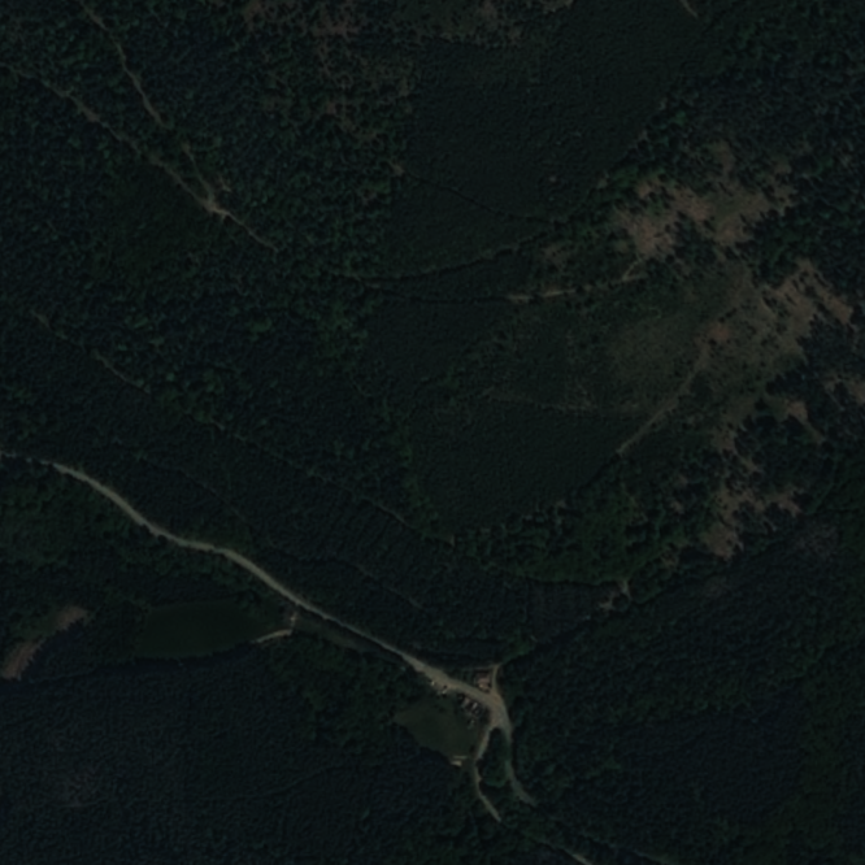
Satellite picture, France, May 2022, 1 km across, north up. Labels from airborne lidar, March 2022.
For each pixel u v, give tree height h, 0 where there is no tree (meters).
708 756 28
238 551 16
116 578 21
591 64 8
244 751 20
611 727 23
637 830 26
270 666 19
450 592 14
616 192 16
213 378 24
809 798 20
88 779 25
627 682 26
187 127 20
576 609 15
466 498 6
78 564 22
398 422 8
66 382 18
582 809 32
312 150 18
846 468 12
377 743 24
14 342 25
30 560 19
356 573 22
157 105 19
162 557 18
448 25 0
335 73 6
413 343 11
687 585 24
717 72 6
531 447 7
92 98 22
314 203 17
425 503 10
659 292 6
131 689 31
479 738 0
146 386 14
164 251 13
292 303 14
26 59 12
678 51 12
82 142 24
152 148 19
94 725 28
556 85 10
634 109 11
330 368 16
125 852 16
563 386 6
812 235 29
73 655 24
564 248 7
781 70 32
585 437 6
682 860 23
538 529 20
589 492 19
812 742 20
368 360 13
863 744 18
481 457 7
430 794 28
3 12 18
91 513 15
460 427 6
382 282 12
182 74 12
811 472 35
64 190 19
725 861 25
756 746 33
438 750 0
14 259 26
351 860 24
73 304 21
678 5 10
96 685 28
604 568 20
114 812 12
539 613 21
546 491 7
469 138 13
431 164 11
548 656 22
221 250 15
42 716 23
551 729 27
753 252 27
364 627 17
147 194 14
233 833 20
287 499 19
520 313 15
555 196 8
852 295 31
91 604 19
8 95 17
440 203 13
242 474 17
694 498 27
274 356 22
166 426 18
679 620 24
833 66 30
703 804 28
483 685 0
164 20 18
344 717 21
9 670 0
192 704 24
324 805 20
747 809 30
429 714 0
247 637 0
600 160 10
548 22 6
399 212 16
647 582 13
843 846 27
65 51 14
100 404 21
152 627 0
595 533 24
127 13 19
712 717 29
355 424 21
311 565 22
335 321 21
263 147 17
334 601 19
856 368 26
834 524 24
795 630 26
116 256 10
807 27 6
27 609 17
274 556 23
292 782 16
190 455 20
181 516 19
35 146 26
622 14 7
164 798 25
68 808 16
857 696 20
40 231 22
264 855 25
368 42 9
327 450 14
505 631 25
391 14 9
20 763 26
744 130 34
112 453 23
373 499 14
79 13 23
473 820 16
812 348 29
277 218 10
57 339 15
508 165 12
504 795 24
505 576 12
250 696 19
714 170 31
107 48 23
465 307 17
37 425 29
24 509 28
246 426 22
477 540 8
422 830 23
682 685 20
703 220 0
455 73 8
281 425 20
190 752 20
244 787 22
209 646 0
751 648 29
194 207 13
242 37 19
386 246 11
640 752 27
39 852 27
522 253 11
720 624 24
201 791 20
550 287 7
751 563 23
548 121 12
